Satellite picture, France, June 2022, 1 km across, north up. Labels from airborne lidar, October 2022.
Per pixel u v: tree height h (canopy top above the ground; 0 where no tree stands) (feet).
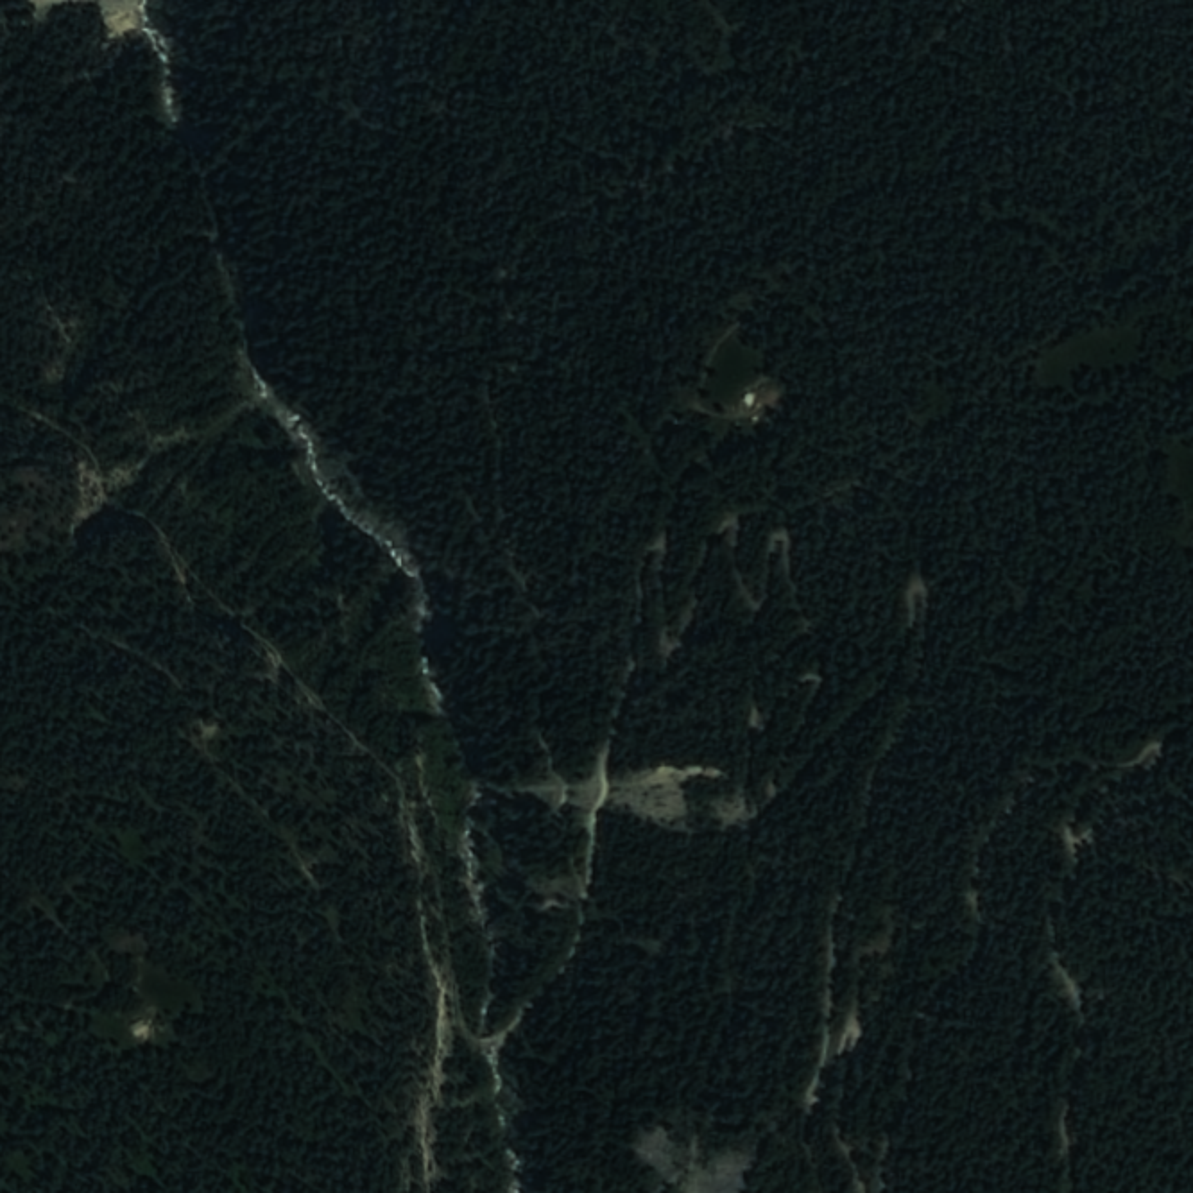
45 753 52
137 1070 77
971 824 58
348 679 53
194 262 81
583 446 69
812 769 45
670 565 47
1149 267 45
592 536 92
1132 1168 66
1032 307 85
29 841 59
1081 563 47
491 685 106
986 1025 71
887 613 90
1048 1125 62
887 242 40
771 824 42
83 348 20
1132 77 62
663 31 39
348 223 65
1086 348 0
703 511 64
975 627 83
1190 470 0
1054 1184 75
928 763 63
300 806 45
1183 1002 53
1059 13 66
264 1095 83
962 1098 72
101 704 83
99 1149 44
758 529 41
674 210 93
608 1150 22
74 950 98
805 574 47
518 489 78
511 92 84
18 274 83
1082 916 81
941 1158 79
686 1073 47
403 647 29
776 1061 88
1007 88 59
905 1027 20
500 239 88
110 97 50
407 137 60
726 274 100
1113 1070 37
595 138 79
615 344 61
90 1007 62
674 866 29
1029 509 94
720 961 88
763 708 46
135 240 83
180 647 76
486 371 80
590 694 69
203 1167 85
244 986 44
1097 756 82
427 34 70
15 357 102
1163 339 36
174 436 33
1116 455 69
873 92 60
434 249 79
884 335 46
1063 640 86
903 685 56
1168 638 59
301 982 57
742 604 41
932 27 45
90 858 30
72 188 64
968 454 79
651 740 28
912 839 69
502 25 82
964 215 78
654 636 49
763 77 71
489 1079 24
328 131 76
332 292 102
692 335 95
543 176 64
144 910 91
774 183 51
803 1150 30
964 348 52
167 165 93
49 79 79
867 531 38
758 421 0
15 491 52
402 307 84
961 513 85
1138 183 65
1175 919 23
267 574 83
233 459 35
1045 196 64
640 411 35
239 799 51
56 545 43
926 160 70
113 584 59
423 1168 128
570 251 46
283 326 93
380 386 26
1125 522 70
